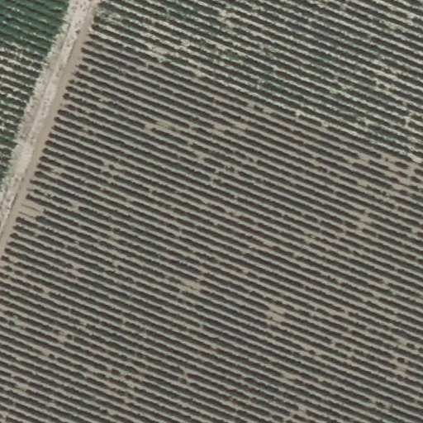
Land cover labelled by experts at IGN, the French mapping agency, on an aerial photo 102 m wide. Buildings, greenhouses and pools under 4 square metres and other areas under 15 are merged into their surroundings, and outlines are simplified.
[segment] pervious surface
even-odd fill
[[[0,185],[0,268],[3,266],[2,256],[12,238],[17,218],[26,220],[28,216],[43,215],[43,207],[26,200],[26,193],[33,185],[31,180],[35,177],[36,167],[40,164],[48,135],[58,135],[53,129],[55,117],[59,109],[63,111],[66,106],[64,91],[73,79],[74,73],[78,71],[79,64],[83,63],[83,43],[89,41],[89,35],[93,30],[94,7],[102,0],[69,0],[63,25],[59,28],[51,50],[46,55],[51,69],[41,69],[41,74],[36,79],[35,91],[26,104],[23,121],[18,126],[18,134],[15,137],[17,145],[12,152],[10,169]]]

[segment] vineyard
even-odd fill
[[[31,180],[33,185],[26,193],[26,200],[43,207],[43,215],[28,216],[26,220],[17,218],[12,238],[2,256],[3,266],[0,268],[0,423],[423,423],[423,0],[102,0],[94,7],[93,30],[89,35],[89,41],[83,43],[83,63],[79,64],[78,71],[74,73],[73,79],[64,91],[66,106],[63,111],[59,109],[55,117],[53,129],[58,135],[48,135],[40,164],[36,167],[35,177]]]
[[[41,69],[51,69],[46,55],[51,50],[59,28],[63,25],[69,0],[0,0],[0,185],[10,169],[12,152],[17,145],[15,137],[18,134],[18,126],[23,121],[26,104],[35,91],[36,79],[41,74]]]

